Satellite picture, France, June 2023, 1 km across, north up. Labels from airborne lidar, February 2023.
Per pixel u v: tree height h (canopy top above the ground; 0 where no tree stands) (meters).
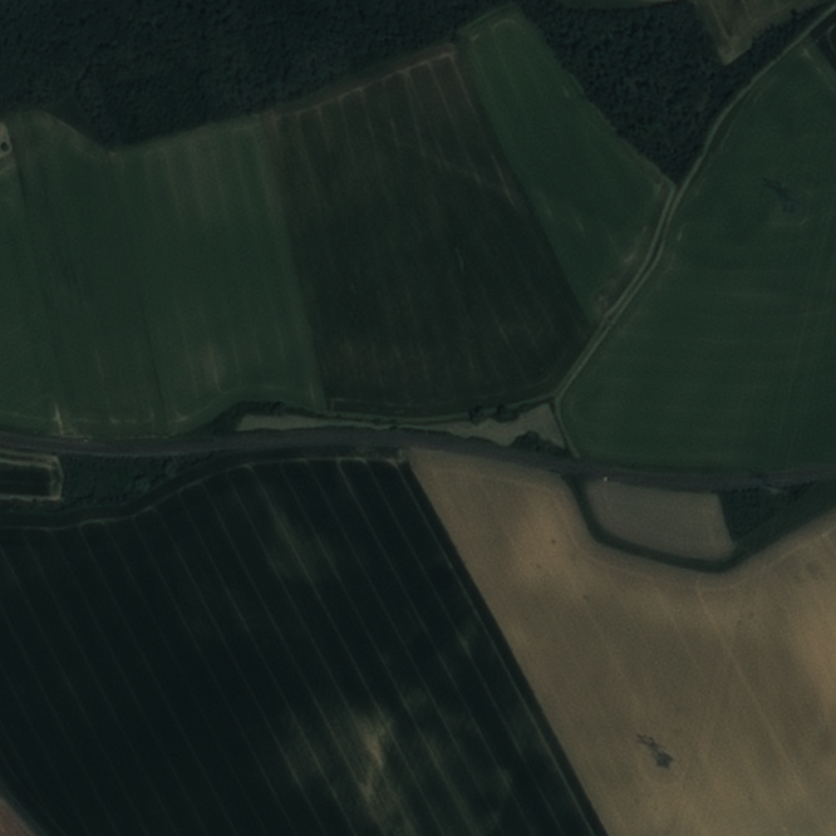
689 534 0
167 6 22
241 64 15
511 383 0
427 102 0
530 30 0
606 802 0
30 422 0
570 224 0
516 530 0
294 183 0
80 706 0
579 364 0
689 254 0
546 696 0
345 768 0
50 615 0
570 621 0
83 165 0
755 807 0
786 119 0
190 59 17
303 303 0
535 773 0
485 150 0
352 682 0
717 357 0
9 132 0
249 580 0
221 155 0
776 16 0
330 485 0
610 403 0
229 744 0
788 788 0
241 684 0
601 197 0
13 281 0
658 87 21
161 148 0
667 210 0
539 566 0
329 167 0
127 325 0
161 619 0
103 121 16
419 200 0
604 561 0
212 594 0
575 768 0
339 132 0
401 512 0
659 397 0
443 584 0
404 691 0
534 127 0
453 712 0
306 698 0
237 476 0
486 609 0
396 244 0
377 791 0
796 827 0
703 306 0
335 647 0
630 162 0
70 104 0
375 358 0
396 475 0
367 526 0
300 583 0
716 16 0
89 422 0
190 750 0
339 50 21
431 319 0
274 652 0
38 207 0
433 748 0
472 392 0
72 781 0
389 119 0
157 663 0
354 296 0
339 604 0
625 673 0
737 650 0
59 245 0
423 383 0
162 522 0
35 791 0
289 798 0
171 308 0
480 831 0
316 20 21
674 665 0
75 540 0
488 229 0
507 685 0
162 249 0
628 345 0
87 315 0
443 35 17
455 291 0
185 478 0
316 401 0
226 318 0
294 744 0
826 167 0
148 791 0
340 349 0
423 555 0
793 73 0
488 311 0
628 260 0
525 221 0
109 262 0
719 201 0
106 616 0
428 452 0
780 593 0
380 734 0
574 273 0
